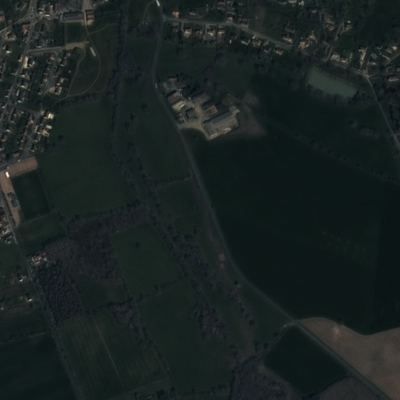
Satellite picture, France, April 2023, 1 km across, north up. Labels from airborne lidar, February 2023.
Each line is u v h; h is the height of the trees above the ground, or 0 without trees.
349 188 0
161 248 0
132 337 0
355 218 0
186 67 0
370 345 0
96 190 0
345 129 0
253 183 0
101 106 0
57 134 0
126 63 16
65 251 26
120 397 0
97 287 0
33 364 0
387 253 0
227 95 0
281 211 0
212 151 0
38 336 0
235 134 0
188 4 0
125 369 0
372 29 0
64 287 16
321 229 0
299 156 0
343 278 0
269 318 0
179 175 0
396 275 0
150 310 0
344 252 0
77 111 0
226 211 0
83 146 0
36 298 0
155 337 0
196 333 0
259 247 0
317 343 0
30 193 0
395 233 0
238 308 0
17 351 0
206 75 0
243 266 0
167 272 0
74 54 8
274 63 13
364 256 0
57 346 8
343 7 15
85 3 0
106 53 0
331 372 0
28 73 9
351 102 8
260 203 0
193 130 0
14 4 10
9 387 0
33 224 0
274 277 0
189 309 0
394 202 0
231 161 0
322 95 22
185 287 0
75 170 0
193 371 0
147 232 0
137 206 21
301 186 0
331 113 0
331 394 13
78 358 0
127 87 0
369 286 0
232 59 0
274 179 0
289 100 0
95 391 0
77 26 0
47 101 0
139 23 0
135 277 0
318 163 0
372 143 0
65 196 0
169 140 0
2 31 0
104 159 0
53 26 0
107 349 0
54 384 0
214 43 13
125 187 0
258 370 19
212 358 0
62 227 0
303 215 0
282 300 0
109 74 0
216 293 0
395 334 0
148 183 17
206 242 0
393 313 0
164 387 0
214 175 0
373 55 0
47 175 0
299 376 0
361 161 0
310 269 0
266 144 0
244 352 0
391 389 0
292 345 0
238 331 0
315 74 0
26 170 0
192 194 0
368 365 0
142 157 0
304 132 0
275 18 0
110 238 17
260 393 20
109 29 0
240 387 11
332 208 0
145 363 0
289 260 0
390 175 0
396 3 0
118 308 18
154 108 0
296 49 10
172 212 0
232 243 0
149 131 0
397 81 0
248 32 0
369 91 0
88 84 0
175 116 0
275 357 0
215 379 0
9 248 0
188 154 0
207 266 15
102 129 0
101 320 0
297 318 0
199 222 0
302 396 0
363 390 15
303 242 0
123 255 0
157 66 0
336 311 0
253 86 0
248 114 0
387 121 0
